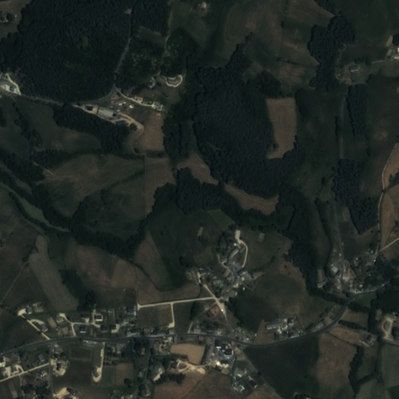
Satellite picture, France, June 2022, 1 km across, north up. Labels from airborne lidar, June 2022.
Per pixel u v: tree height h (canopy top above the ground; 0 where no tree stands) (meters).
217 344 0
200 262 0
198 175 0
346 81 0
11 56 19
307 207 17
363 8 0
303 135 0
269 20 0
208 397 0
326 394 0
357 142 0
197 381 0
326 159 0
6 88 0
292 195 19
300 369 0
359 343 0
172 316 0
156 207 18
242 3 0
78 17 27
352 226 0
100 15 24
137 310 0
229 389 0
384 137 0
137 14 17
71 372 0
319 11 0
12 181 23
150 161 0
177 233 0
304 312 0
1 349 0
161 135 0
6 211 0
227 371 0
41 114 0
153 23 17
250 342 0
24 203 0
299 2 0
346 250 0
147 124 0
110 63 13
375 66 0
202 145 25
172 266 0
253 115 20
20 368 0
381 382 0
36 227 0
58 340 0
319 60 19
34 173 7
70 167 0
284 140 0
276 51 0
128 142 0
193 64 8
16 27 0
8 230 0
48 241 0
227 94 18
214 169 19
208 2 5
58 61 10
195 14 0
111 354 6
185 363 0
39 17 16
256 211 16
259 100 19
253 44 0
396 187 0
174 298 0
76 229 20
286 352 0
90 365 0
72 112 22
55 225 16
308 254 16
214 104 20
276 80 10
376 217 12
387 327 0
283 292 0
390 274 11
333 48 31
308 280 10
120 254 6
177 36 0
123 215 0
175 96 0
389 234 0
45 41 15
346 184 17
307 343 0
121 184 0
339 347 0
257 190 19
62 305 0
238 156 18
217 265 0
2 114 7
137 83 18
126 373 0
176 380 13
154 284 0
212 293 0
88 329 0
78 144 0
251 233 0
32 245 0
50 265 0
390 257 0
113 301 0
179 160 0
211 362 0
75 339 0
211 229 0
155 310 0
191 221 0
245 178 15
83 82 11
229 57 0
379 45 0
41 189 15
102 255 0
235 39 0
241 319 23
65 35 16
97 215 0
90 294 14
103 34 12
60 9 26
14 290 0
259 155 20
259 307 0
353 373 16
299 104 16
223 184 16
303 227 20
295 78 0
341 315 0
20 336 0
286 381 0
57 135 0
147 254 0
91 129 15
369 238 0
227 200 23
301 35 0
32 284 0
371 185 0
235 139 18
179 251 0
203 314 0
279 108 0
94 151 16
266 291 0
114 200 0
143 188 0
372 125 0
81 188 0
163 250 0
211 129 28
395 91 0
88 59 14
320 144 0
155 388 0
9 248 0
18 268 0
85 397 0
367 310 15
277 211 7
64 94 9
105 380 0
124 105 6
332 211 0
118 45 14
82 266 0
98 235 17
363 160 0
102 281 0
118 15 20
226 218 0
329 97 0
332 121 0
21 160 7
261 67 0
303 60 0
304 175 0
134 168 0
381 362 0
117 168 0
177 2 0
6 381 0
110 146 17
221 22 0
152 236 0
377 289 8
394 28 0
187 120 9
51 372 0
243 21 0
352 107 27
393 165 0
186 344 0
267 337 0
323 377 0
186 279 0
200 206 22
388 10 0
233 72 15
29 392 9
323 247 0
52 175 0
